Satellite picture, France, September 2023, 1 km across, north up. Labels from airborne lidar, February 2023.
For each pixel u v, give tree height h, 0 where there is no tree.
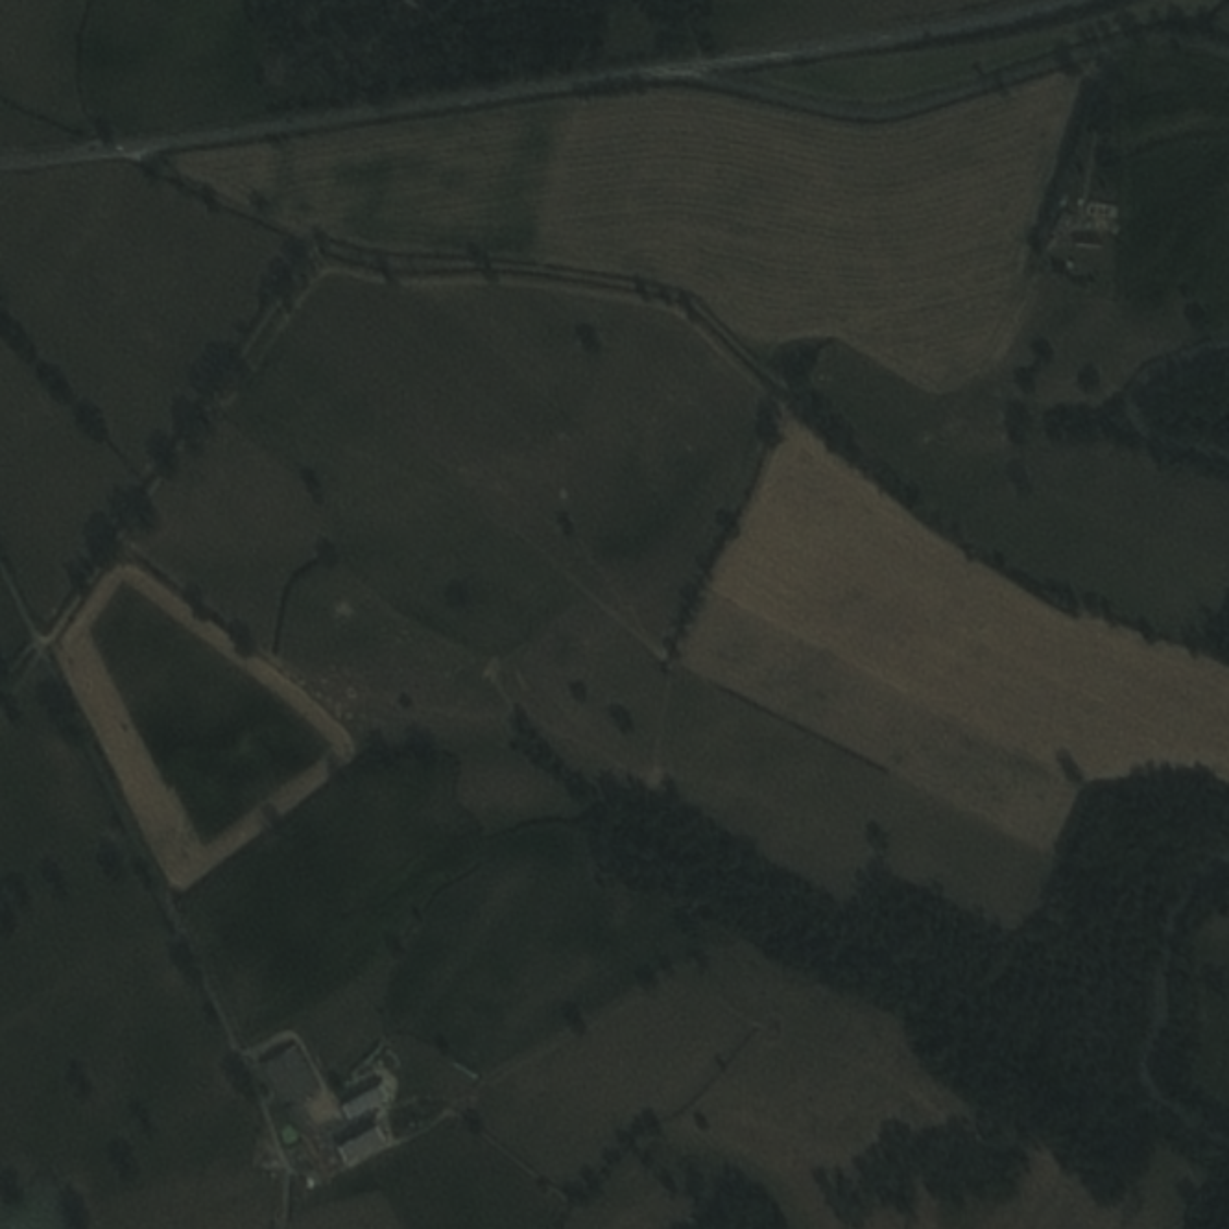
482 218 0
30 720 0
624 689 0
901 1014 12
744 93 0
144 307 0
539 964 0
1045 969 13
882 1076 0
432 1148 0
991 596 0
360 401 0
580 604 0
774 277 0
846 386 0
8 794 0
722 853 15
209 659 0
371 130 0
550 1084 0
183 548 0
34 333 0
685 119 0
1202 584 0
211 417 15
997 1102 15
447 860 0
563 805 0
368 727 0
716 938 0
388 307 0
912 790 0
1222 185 0
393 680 0
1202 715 0
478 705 0
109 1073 0
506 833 0
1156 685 0
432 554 0
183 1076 0
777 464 0
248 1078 16
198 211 0
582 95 8
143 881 17
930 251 0
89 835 0
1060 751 0
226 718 0
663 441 0
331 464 0
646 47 0
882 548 0
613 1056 0
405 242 0
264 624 0
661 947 0
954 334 0
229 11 0
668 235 0
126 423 0
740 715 0
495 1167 0
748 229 0
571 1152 0
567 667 0
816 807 0
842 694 0
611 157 0
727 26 0
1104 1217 0
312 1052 0
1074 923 17
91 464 0
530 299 0
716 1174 0
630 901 0
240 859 0
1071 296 0
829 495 0
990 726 0
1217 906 17
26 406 0
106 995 0
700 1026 0
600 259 0
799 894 11
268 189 0
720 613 0
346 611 0
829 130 0
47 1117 0
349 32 24
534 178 0
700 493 0
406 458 0
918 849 0
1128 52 0
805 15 0
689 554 0
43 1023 0
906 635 0
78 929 0
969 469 0
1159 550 0
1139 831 16
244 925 0
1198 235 0
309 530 0
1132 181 0
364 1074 0
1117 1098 9
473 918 0
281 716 0
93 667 0
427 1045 0
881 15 0
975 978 18
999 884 0
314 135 0
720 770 0
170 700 0
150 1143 0
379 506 0
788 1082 0
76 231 0
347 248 12
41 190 0
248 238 0
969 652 0
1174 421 20
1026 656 0
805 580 0
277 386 0
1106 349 0
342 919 0
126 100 0
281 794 0
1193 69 0
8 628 0
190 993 0
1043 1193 0
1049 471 0
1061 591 11
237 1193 0
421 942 0
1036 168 0
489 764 0
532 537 0
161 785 0
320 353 0
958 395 0
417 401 0
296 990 0
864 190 0
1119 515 0
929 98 0
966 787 0
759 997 0
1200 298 0
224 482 0
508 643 0
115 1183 0
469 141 0
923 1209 0
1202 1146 17
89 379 0
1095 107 20
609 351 0
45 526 0
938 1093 0
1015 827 0
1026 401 0
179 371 0
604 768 0
